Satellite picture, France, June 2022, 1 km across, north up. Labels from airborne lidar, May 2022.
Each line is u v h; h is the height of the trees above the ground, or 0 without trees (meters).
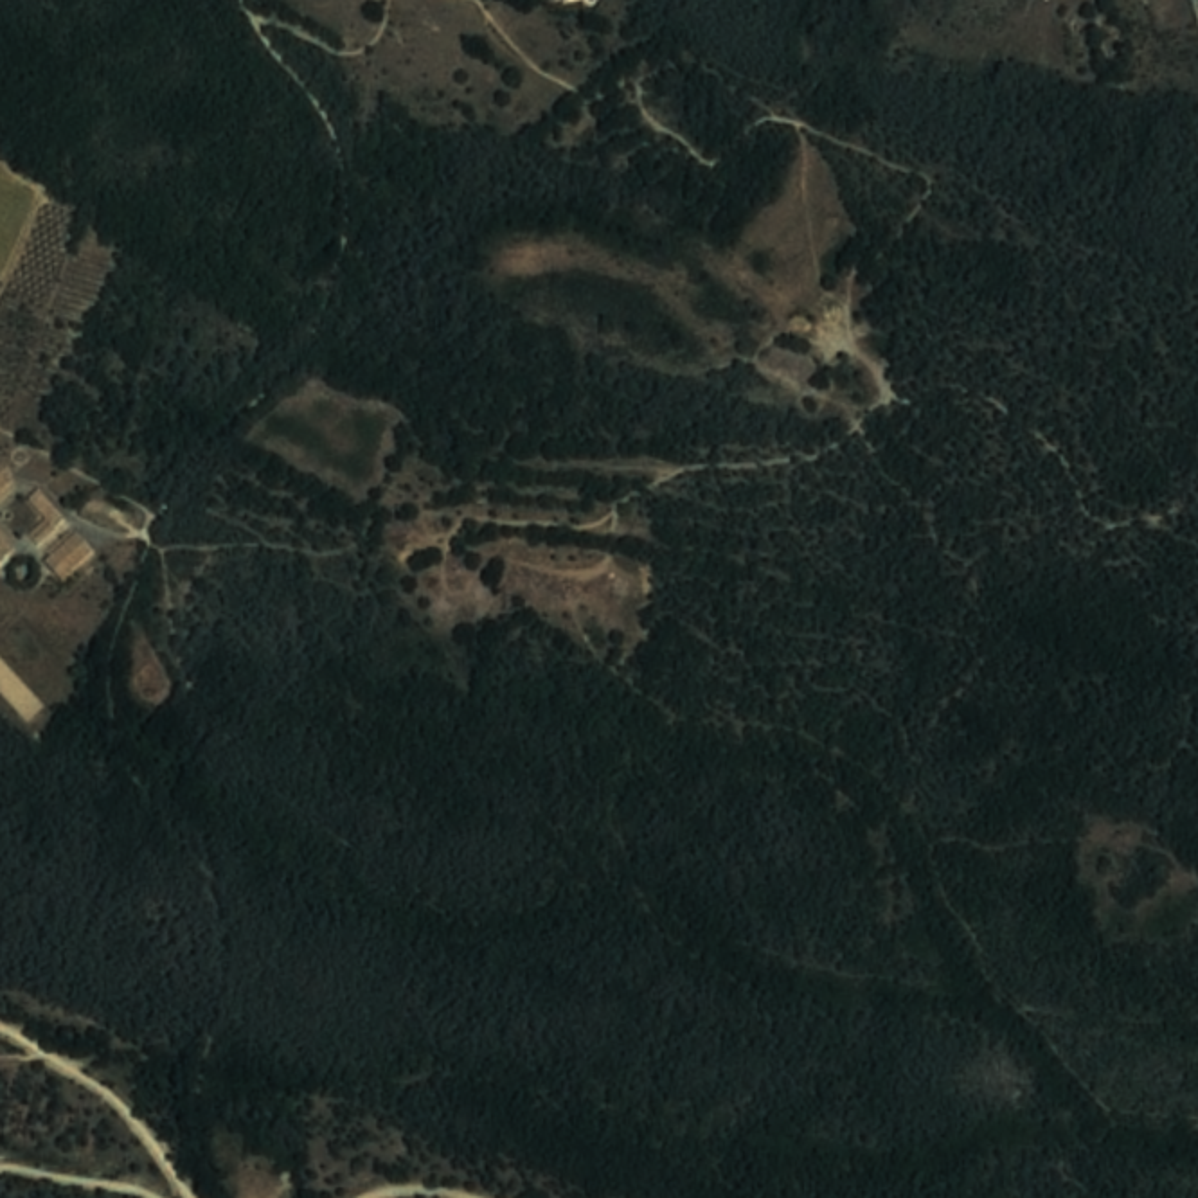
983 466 10
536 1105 17
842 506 10
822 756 9
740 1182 11
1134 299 12
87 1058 10
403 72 0
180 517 8
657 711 9
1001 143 15
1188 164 16
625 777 6
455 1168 10
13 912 18
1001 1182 6
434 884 18
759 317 12
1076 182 12
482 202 6
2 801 14
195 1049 11
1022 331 15
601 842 8
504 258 0
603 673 8
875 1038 9
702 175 8
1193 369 8
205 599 6
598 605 0
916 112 15
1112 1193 11
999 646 9
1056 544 9
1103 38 17
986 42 0
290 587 12
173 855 20
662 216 11
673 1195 15
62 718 12
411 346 14
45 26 5
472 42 12
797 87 8
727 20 13
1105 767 13
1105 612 9
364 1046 14
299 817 16
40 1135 14
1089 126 17
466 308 14
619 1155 13
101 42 10
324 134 8
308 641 10
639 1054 16
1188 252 18
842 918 15
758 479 10
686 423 14
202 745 12
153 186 7
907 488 8
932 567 8
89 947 17
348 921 16
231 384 15
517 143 15
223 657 10
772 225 0
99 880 14
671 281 0
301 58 9
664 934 9
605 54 13
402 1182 8
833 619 16
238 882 16
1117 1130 7
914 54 7
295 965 14
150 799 11
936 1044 8
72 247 9
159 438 9
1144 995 9
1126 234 14
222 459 18
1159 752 10
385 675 15
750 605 15
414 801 8
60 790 10
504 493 11
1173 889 0
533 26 0
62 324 8
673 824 15
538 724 13
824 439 11
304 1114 8
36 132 9
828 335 0
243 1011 17
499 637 13
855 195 9
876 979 7
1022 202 13
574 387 11
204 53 7
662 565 10
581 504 10
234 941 15
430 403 13
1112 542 14
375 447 0
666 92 10
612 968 13
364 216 8
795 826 16
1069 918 10
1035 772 8
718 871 16
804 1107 9
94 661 17
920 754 14
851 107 9
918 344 14
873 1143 15
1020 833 7
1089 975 11
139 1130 0
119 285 12
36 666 0
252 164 6
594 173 12
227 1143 0
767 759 10
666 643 15
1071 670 13
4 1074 11
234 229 12
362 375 13
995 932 8
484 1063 8
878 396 0
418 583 7
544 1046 14
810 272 0
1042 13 0
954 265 8
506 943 12
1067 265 13
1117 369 11
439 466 13
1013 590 14
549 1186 9
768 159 11
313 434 0
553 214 8
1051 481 15
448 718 8
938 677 8
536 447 12
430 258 16
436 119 0
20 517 0
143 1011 20
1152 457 8
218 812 11
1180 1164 10
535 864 11
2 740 15
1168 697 13
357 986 11
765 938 11
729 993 9
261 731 11
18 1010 9
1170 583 11
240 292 8
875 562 9
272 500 14
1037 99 15
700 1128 9
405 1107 14
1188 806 15
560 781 7
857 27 18
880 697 15
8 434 0
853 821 6
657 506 12
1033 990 9
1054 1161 12
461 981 16
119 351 9
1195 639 19
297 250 13
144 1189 0
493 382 11
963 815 7
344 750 8
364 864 14
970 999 11
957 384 14
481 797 13
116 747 8
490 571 12
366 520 10
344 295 10
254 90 12
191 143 7
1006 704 12
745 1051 15
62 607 0
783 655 16
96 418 11
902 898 7
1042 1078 9
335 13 0
